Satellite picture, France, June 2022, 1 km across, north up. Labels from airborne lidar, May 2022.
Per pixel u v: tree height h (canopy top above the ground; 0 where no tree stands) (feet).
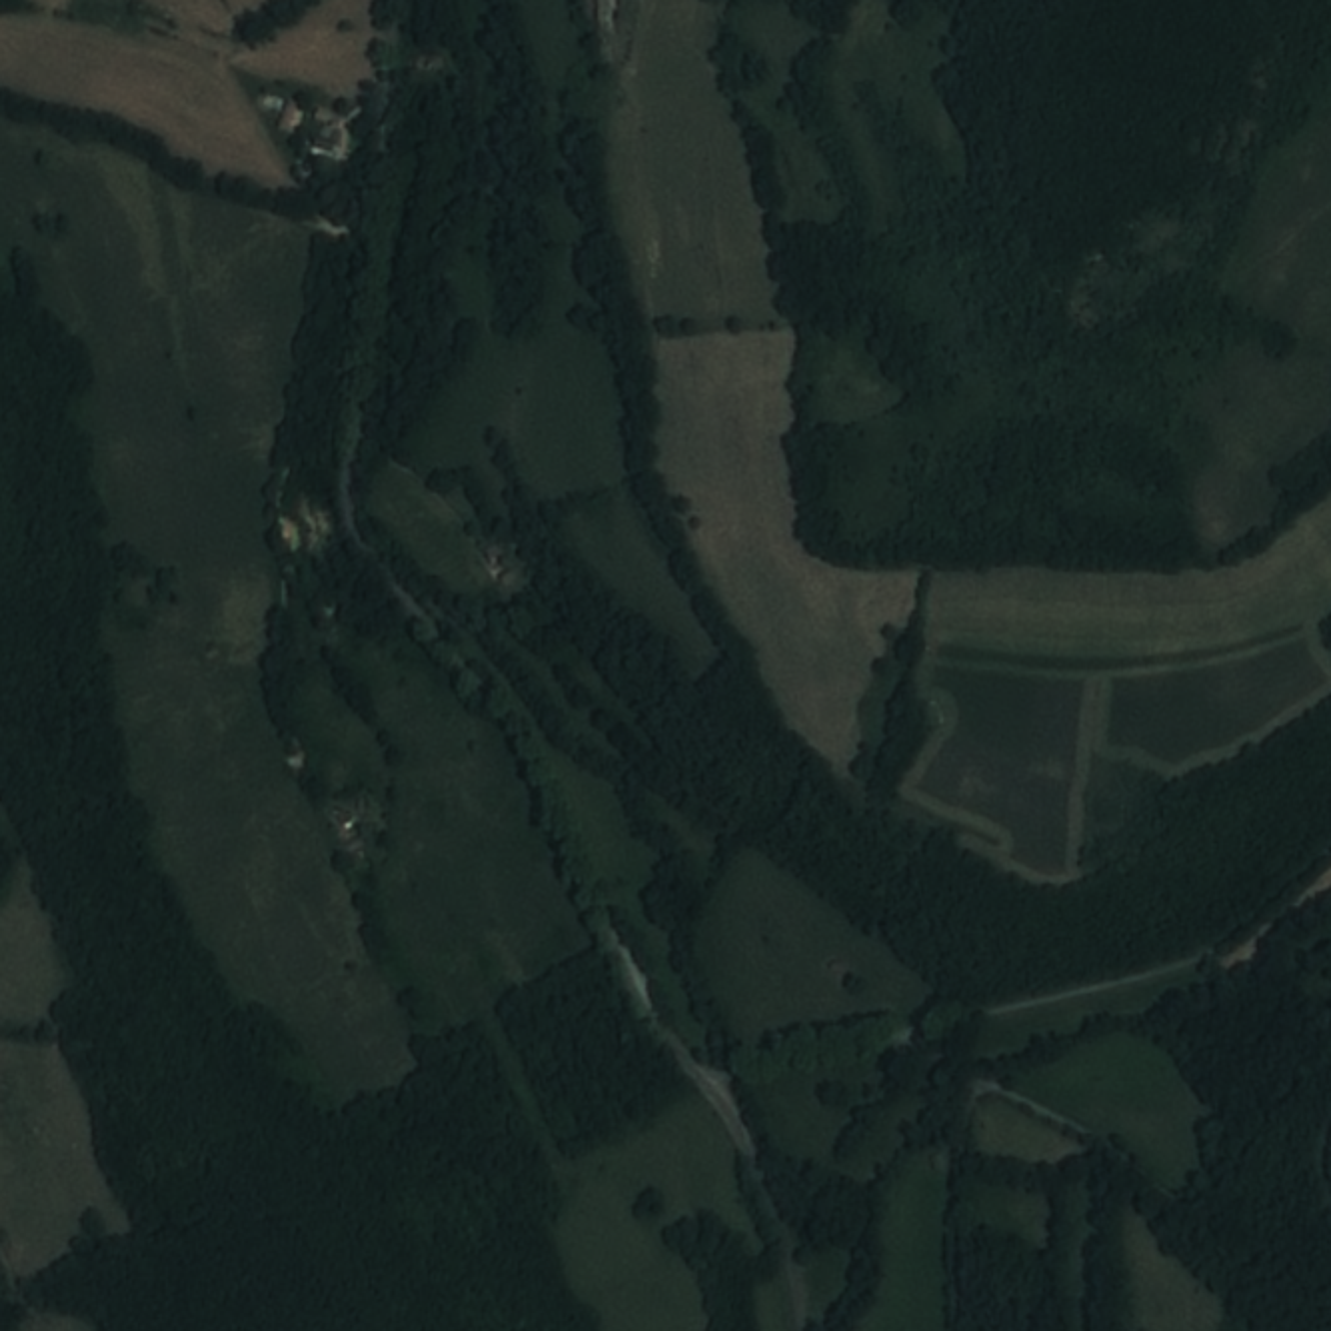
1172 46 41
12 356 47
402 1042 0
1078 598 0
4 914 0
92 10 0
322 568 64
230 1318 62
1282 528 25
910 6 69
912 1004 0
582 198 80
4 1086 0
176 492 0
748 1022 0
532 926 0
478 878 0
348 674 60
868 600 0
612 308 66
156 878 47
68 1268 53
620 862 0
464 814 0
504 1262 65
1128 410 22
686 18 0
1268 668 0
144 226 0
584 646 66
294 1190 55
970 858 43
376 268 83
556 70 0
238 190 57
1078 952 57
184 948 44
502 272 32
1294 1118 53
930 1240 0
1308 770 54
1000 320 33
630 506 0
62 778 80
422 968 0
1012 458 49
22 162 0
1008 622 0
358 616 65
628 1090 61
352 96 0
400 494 0
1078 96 39
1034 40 44
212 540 0
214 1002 44
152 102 0
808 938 0
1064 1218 29
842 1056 107
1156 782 21
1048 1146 0
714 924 0
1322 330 0
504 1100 47
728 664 59
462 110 35
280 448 45
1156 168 43
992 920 53
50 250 0
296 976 0
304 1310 66
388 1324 43
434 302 64
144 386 0
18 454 34
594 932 81
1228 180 29
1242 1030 91
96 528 61
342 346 55
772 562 0
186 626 0
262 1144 47
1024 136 30
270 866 0
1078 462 36
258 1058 60
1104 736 0
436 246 63
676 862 69
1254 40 41
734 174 0
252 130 0
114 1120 23
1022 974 58
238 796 0
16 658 62
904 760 38
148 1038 42
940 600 0
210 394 0
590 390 0
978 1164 53
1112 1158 65
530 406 0
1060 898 41
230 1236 91
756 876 0
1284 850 45
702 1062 70
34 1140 0
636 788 49
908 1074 111
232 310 0
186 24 0
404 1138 55
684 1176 0
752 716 51
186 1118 45
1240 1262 60
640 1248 0
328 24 0
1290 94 37
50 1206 0
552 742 54
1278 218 0
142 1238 63
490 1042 21
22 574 54
